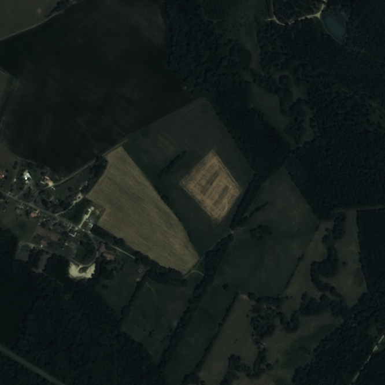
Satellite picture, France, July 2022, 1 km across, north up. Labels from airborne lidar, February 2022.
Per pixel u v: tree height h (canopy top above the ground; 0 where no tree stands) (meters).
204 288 24
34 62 0
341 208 13
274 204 0
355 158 20
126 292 0
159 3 0
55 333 25
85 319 22
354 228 0
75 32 0
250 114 19
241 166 0
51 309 26
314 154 8
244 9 0
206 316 0
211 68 11
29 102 0
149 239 0
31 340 30
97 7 0
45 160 0
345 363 18
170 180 0
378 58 6
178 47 19
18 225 0
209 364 0
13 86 0
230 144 0
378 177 18
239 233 0
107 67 0
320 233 0
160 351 0
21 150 0
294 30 18
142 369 22
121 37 0
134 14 0
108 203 0
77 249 0
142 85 0
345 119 19
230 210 0
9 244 17
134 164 0
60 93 0
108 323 15
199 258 0
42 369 18
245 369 11
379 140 18
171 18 20
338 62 11
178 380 0
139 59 0
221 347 0
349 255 0
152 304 0
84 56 0
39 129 0
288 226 0
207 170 0
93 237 0
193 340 0
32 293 6
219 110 10
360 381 9
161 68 0
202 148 0
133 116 0
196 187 0
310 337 0
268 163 19
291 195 0
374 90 7
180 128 0
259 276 0
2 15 0
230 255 0
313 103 13
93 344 26
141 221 0
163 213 0
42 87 0
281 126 0
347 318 26
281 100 11
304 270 0
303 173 31
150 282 0
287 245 0
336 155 19
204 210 0
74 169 0
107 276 20
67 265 10
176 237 0
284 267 0
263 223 0
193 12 11
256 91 0
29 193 7
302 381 23
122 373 21
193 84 22
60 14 0
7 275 7
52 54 0
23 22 0
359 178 18
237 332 0
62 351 25
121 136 0
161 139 0
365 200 19
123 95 0
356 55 11
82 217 0
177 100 0
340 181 17
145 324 0
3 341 6
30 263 12
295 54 14
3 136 0
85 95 0
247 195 16
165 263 0
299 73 28
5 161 0
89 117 0
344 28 0
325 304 18
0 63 0
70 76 0
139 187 0
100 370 24
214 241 0
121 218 0
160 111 0
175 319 0
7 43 0
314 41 13
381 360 16
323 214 12
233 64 12
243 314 0
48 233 0
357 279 0
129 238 0
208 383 0
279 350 0
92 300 22
